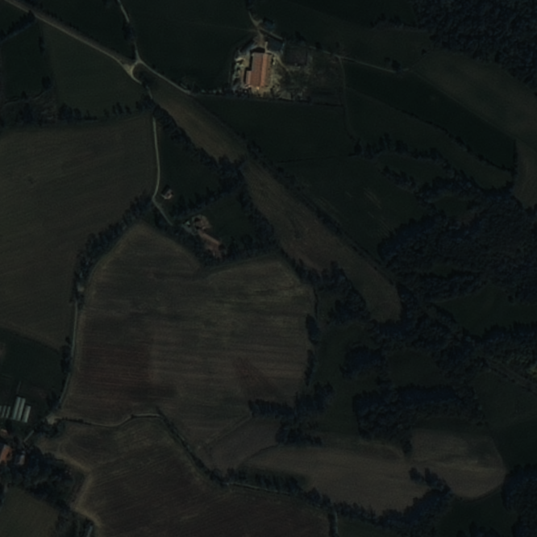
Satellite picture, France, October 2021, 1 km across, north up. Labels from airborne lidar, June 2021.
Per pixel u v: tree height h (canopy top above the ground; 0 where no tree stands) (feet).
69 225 0
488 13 69
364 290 0
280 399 0
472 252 50
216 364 0
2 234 0
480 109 0
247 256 52
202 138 0
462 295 55
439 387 0
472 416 63
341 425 0
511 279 63
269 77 0
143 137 0
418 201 40
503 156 0
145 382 0
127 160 0
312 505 38
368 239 0
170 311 0
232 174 82
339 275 58
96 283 0
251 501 0
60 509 52
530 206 0
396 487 0
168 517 0
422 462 0
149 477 0
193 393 0
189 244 54
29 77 0
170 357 0
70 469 0
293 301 0
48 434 31
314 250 0
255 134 0
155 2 0
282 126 0
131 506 0
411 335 76
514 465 0
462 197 64
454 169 34
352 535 0
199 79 0
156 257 0
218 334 0
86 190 0
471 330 0
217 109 0
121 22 0
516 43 29
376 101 0
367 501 0
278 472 0
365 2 0
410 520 28
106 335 0
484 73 0
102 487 0
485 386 0
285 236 0
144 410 0
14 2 0
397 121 0
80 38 0
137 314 0
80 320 0
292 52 0
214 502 0
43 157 0
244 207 70
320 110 0
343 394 0
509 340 68
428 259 58
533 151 0
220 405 0
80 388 0
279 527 0
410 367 0
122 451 0
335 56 31
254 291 0
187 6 0
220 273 0
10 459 25
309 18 0
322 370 0
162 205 0
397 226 0
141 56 0
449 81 0
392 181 41
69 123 66
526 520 52
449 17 66
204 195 0
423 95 0
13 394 0
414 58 0
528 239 46
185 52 0
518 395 0
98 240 0
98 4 0
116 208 0
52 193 0
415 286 50
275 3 0
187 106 0
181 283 0
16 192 0
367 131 0
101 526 0
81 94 0
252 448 0
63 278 0
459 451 0
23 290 0
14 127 0
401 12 0
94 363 0
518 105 0
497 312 0
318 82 0
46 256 0
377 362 58
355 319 73
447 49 37
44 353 0
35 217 0
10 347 0
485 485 0
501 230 52
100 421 0
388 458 0
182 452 0
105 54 0
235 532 0
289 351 0
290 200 0
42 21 0
